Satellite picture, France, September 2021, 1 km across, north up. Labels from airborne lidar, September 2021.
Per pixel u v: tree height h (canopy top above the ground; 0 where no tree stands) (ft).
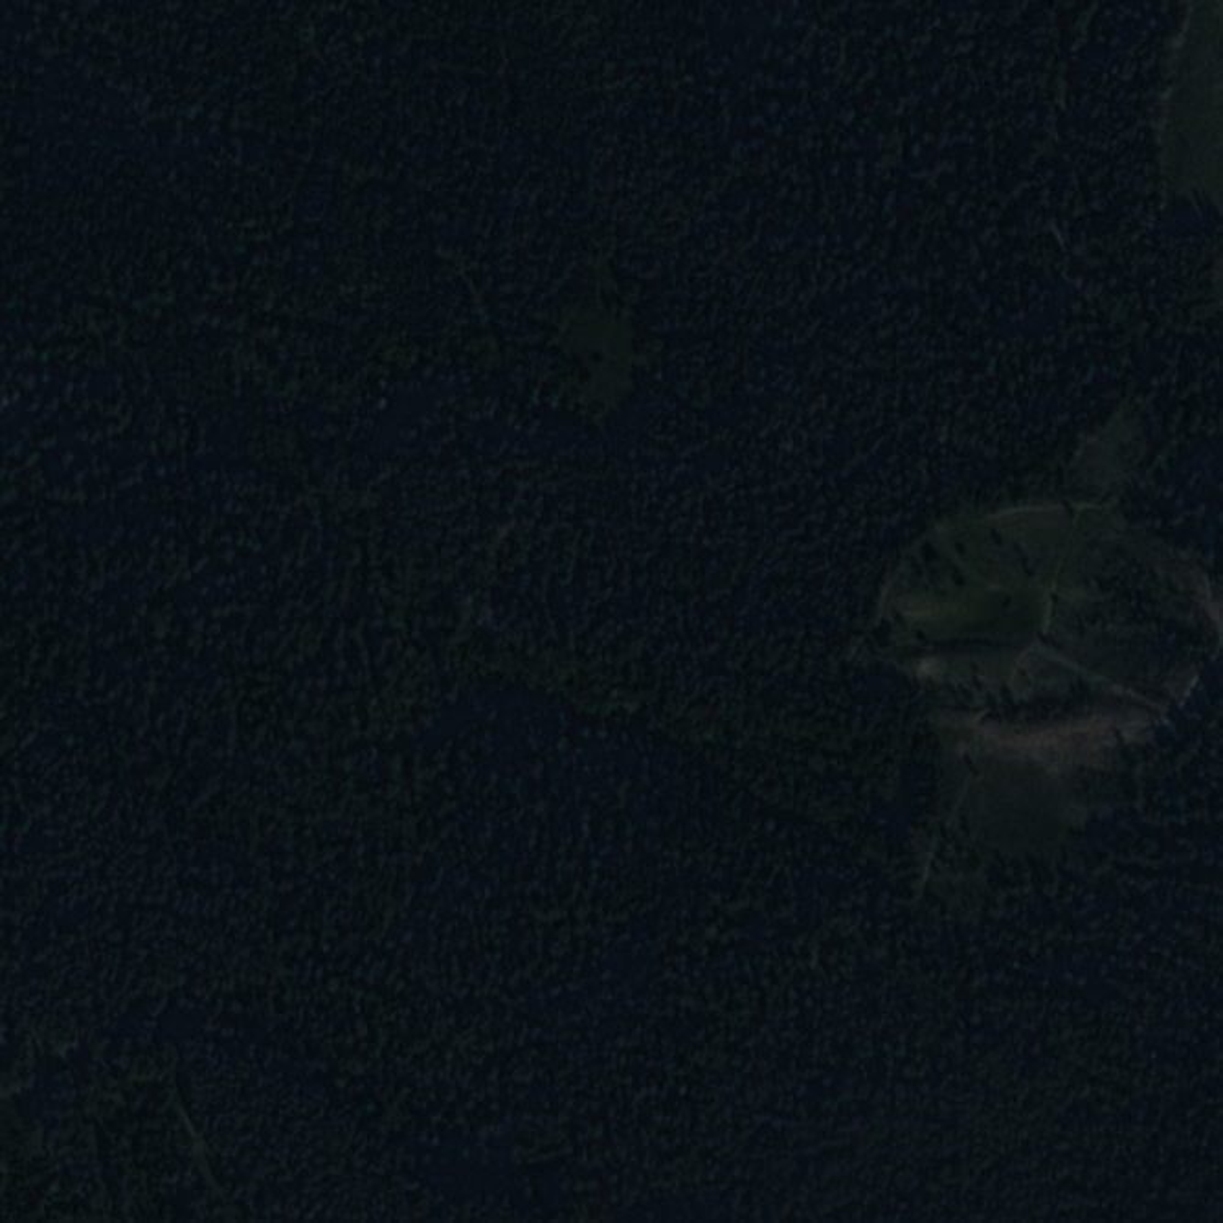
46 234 79
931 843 34
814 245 81
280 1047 46
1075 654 0
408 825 51
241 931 73
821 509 37
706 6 79
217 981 90
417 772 35
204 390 50
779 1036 30
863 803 37
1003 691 0
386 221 49
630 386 0
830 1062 26
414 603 34
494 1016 35
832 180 56
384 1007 49
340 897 31
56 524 42
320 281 60
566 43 61
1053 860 0
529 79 43
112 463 40
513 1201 27
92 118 73
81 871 87
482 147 54
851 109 45
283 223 47
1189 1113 22
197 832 27
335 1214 87
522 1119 34
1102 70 48
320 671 61
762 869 32
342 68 52
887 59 69
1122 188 80
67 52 51
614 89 60
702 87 25
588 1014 37
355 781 35
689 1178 24
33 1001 102
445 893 38
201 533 37
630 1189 25
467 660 34
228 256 61
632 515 67
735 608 39
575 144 48
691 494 74
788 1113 30
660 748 36
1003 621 0
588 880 65
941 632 0
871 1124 30
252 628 36
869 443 35
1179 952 24
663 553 27
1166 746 22
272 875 35
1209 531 30
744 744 40
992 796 0
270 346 37
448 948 41
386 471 72
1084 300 48
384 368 35
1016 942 32
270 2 40
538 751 43
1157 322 50
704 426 74
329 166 53
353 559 44
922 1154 23
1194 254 81
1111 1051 28
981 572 0
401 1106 36
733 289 83
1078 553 0
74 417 49
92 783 27
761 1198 30
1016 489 32
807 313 38
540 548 83
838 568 39
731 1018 40
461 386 80
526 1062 38
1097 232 33
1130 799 24
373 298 33
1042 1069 21
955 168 33
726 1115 30
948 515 61
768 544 78
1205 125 0
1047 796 0
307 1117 87
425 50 55
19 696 33
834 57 108
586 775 45
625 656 85
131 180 84
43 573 54
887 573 52
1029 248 31
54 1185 60
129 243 55
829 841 26
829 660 51
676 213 62
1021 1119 25
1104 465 0
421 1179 22
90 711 51
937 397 74
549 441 66
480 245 64
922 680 0
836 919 35
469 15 46
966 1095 27
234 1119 98
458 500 79
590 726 27
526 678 56
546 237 78
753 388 63
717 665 54
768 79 26
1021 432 39
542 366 81
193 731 60
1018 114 72
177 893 35
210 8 56
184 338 24
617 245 80
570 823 48
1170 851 26
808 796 54
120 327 46
